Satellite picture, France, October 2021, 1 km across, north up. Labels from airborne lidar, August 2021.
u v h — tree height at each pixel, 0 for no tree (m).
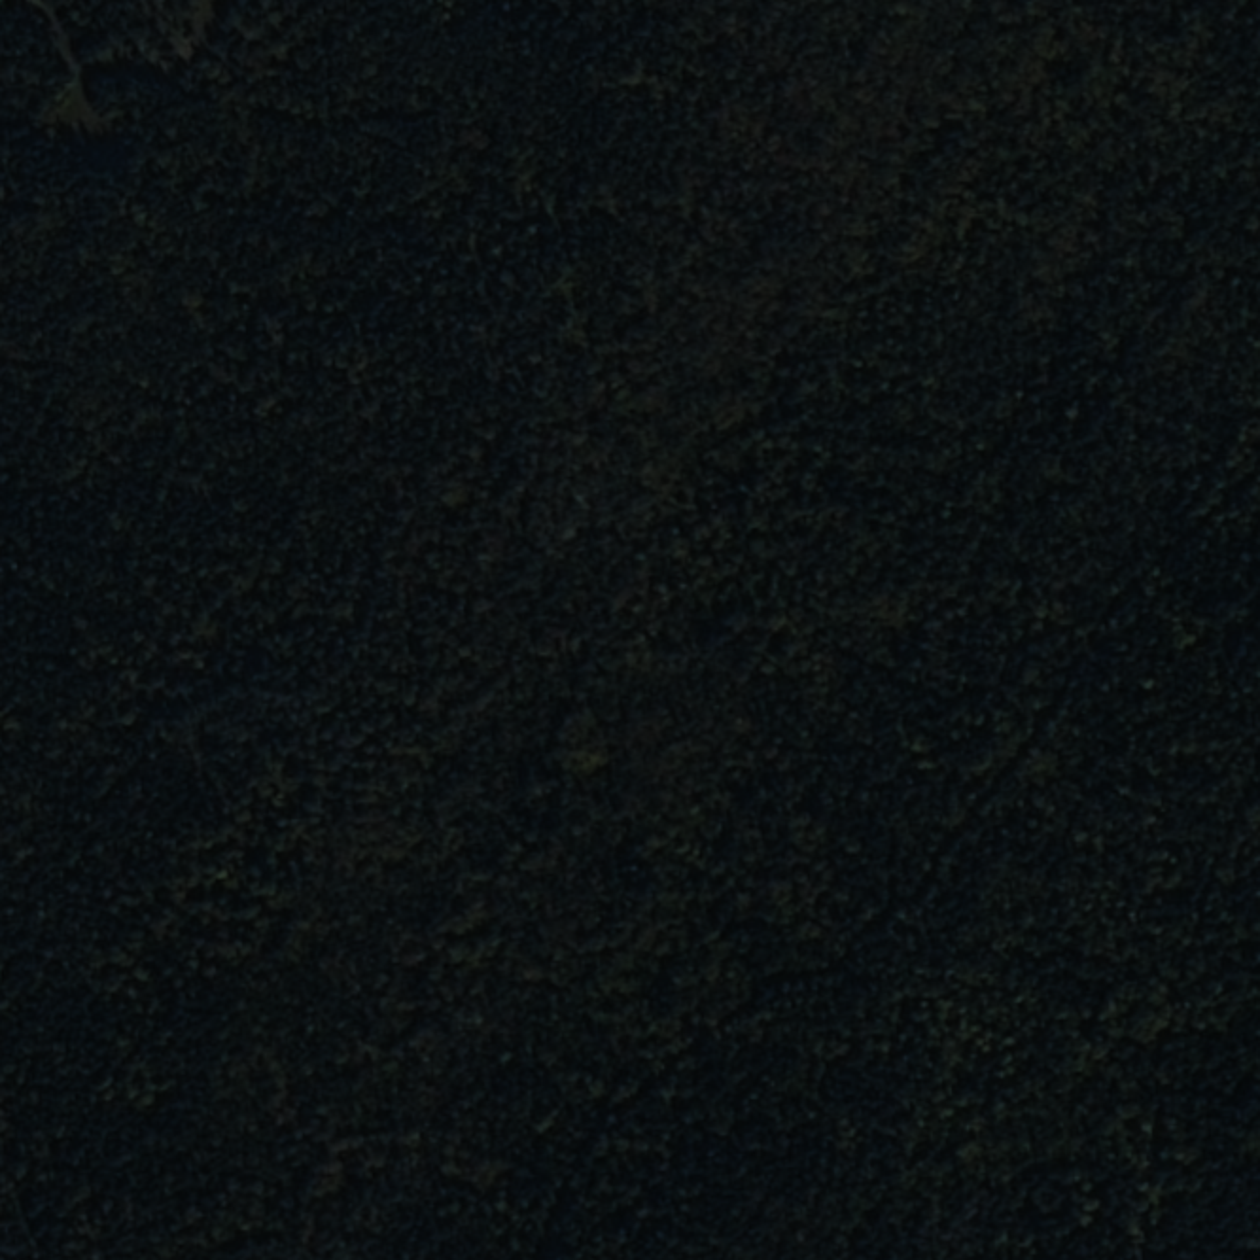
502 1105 14
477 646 21
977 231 15
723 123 13
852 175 19
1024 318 15
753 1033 19
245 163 14
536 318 15
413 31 17
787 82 20
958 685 17
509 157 9
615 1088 20
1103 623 11
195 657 18
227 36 6
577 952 21
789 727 19
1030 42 22
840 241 18
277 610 12
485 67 13
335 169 18
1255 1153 20
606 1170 17
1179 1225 24
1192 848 14
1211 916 17
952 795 12
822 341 22
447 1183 8
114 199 14
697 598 13
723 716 12
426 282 13
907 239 21
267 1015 20
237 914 24
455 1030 15
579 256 11
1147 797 22
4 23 17
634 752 10
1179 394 22
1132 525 14
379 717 24
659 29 12
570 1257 23
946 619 21
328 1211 15
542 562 14
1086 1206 19
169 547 12
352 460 16
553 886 12
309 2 12
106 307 13
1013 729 18
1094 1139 21
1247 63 27
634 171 10
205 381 25
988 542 10
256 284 24
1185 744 20
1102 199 12
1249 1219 20
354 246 13
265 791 15
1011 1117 18
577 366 20
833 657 21
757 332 15
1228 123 15
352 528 11
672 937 13
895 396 16
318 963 17
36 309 15
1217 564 24
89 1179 19
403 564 22
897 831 18
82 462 10
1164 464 20
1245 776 15
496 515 14
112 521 17
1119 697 21
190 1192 12
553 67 14
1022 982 28
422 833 23
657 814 15
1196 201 17
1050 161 16
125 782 9
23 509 22
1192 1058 16
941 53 17
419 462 16
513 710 14
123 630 10
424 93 15
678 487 12
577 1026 14
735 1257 13
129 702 15
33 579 13
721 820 24
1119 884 18
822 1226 14
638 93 13
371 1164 12
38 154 14
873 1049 21
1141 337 20
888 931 20
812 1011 12
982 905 19
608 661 18
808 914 14
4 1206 20
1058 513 17
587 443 18
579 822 11
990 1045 15
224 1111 18
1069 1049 26
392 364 14
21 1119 15
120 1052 11
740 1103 21
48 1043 13
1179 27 22
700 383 17
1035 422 17
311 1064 14
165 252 22
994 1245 20
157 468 15
